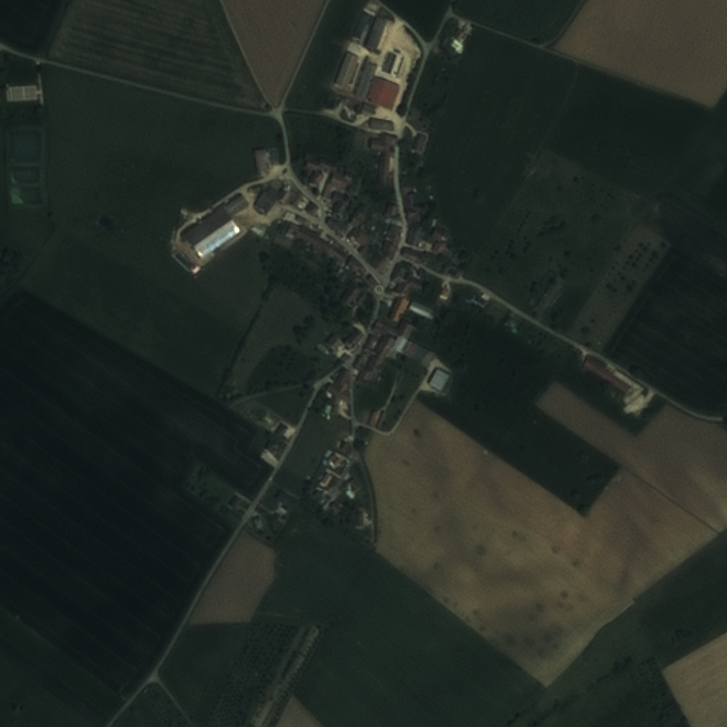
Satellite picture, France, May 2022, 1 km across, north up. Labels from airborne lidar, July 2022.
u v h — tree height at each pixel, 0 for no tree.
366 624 0
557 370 0
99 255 0
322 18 0
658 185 0
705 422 0
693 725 0
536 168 0
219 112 0
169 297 0
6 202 0
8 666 0
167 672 0
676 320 0
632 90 0
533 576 0
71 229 0
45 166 0
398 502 0
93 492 0
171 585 0
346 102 0
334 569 0
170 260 0
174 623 0
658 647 0
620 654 0
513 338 0
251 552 0
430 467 0
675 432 0
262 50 0
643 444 0
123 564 0
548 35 0
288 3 0
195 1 0
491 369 0
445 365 0
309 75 0
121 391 0
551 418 0
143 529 0
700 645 0
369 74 0
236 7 0
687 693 0
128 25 0
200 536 0
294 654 6
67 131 0
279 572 0
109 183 0
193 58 0
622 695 0
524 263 0
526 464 0
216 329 0
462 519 0
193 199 0
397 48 0
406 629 0
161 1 0
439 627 0
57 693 0
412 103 0
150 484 0
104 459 0
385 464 0
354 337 0
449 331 0
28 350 0
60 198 0
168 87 0
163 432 0
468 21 0
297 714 0
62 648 0
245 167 0
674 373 0
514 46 0
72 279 0
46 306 0
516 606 0
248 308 0
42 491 0
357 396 0
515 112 0
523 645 0
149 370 0
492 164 0
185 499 0
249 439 0
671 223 0
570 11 0
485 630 0
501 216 0
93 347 0
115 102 0
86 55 0
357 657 0
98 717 0
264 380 0
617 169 0
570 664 0
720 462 0
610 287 7
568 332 0
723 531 0
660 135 0
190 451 0
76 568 0
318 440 0
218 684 0
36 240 0
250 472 0
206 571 0
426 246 0
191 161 0
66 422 0
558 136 0
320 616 0
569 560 0
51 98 0
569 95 0
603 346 0
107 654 0
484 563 0
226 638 0
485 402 0
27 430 0
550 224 7
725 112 0
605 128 0
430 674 0
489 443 0
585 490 0
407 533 0
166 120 0
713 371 0
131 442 0
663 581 0
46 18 0
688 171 0
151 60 0
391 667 0
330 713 0
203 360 0
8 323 0
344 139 12
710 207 0
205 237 0
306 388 10
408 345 0
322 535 0
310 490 9
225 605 0
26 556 0
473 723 0
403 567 0
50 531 0
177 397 0
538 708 0
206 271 0
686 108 0
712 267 0
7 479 0
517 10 0
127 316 0
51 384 0
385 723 0
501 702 0
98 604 0
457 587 0
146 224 0
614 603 0
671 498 0
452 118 0
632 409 0
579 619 0
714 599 0
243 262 0
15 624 0
